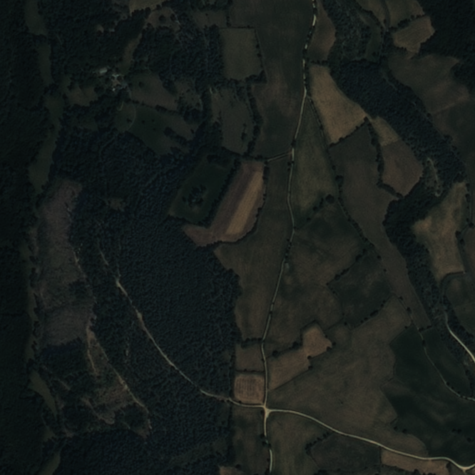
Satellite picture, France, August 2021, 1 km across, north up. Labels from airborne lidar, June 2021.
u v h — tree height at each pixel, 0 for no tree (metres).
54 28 22
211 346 9
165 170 9
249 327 0
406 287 0
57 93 22
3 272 9
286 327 0
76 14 19
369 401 0
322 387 0
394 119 16
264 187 0
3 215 12
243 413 0
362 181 0
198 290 12
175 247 13
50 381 23
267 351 0
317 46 0
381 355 0
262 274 0
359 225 11
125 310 18
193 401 11
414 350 0
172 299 11
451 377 0
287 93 0
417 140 10
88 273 15
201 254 13
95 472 22
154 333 10
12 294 11
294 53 0
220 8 8
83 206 21
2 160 17
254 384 0
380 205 0
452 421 0
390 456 0
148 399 19
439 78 0
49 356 25
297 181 0
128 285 13
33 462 25
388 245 0
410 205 12
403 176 0
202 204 12
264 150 0
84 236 15
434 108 0
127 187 11
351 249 0
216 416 9
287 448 0
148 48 19
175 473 12
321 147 0
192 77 11
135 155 15
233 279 12
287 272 0
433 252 0
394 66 0
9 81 17
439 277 0
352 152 0
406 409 0
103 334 19
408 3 0
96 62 17
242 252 0
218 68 10
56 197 0
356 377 0
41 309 22
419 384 0
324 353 0
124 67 0
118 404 12
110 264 10
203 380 8
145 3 0
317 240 0
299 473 0
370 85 15
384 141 0
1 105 16
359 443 0
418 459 0
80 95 0
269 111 0
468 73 13
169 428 15
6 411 22
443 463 0
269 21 0
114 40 18
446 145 15
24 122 24
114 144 8
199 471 10
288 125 0
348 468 0
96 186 15
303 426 0
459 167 12
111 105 11
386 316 0
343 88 8
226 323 9
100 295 17
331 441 0
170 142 0
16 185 29
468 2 10
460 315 0
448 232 0
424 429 0
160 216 16
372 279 0
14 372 29
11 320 26
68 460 12
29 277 0
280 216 0
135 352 19
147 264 8
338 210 0
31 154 17
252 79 11
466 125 0
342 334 0
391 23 0
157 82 0
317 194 0
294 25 0
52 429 29
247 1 0
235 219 0
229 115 0
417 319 0
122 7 6
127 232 11
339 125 0
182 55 15
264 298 0
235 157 12
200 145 20
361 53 10
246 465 0
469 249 0
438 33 13
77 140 12
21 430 23
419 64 0
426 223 0
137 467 18
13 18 9
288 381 0
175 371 11
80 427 16
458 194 0
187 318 11
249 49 0
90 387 23
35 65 15
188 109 8
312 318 0
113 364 19
